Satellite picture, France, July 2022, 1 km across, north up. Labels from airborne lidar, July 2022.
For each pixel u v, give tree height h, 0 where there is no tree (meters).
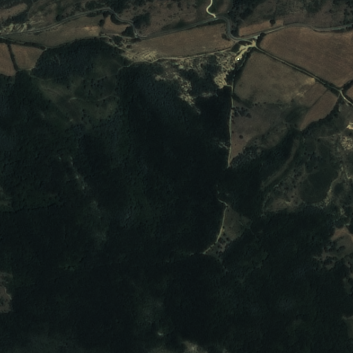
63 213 21
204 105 9
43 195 7
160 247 12
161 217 11
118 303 12
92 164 13
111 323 15
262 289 10
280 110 0
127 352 8
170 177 11
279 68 0
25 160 15
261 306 12
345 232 0
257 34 0
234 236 0
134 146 13
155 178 13
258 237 9
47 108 11
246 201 11
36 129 7
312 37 0
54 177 13
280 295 10
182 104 11
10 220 15
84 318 14
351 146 0
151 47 0
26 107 12
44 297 12
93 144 13
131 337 8
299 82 0
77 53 15
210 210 7
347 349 10
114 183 13
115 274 13
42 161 13
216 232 9
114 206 13
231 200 9
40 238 18
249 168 13
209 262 13
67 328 9
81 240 13
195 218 10
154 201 11
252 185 11
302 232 14
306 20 0
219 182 8
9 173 7
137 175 9
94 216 8
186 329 16
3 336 8
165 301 10
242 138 6
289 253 15
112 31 0
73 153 7
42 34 0
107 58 0
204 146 16
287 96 0
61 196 11
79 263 15
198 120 10
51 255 20
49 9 0
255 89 0
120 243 11
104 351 7
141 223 13
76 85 0
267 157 10
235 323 16
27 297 13
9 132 17
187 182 11
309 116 0
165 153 12
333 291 18
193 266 15
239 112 8
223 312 13
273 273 14
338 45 0
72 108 0
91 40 9
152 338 12
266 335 16
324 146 0
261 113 0
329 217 12
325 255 0
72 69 9
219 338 14
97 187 9
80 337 9
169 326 13
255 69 0
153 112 12
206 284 11
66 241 22
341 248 11
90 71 13
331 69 0
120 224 11
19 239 14
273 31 0
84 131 12
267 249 15
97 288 13
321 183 0
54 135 8
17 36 0
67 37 0
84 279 12
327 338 12
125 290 14
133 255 15
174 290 14
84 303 10
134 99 13
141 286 8
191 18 0
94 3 6
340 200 0
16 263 15
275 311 12
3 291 0
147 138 12
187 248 13
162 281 12
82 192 8
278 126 0
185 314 16
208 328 18
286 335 18
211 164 13
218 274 10
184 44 0
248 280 10
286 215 14
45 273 16
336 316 10
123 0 11
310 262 12
